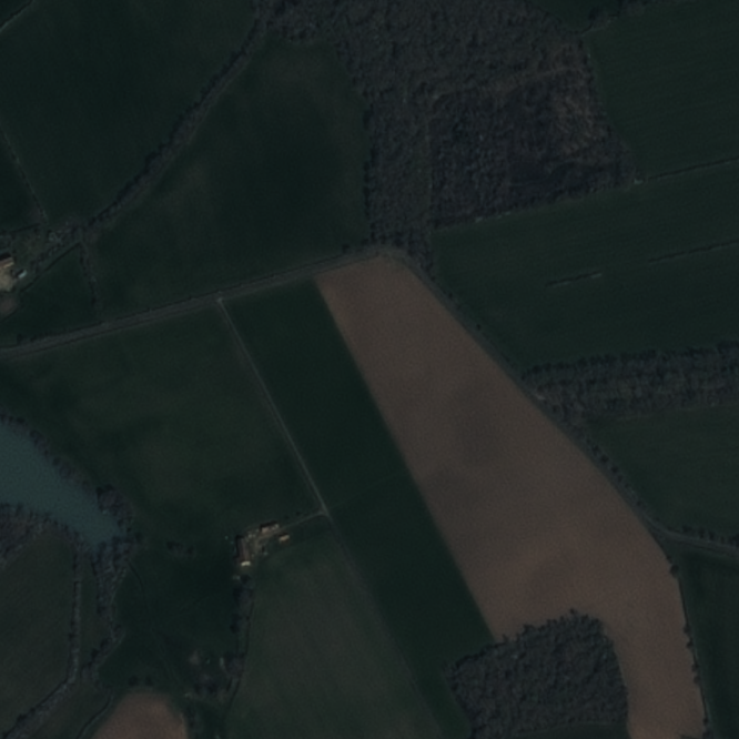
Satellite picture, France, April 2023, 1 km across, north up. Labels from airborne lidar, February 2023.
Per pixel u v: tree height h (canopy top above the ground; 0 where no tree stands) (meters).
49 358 0
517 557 0
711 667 0
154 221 0
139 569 0
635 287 0
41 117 0
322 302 0
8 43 0
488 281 0
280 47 0
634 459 0
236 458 0
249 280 0
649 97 0
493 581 0
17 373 0
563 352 0
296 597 0
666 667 0
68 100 0
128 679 0
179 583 0
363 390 0
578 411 24
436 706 0
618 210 0
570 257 0
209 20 0
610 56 0
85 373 0
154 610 0
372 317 0
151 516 0
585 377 16
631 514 0
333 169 0
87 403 0
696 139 0
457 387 0
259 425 0
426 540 0
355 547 0
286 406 0
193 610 0
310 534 0
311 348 0
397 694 0
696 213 0
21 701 0
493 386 0
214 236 0
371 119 17
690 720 0
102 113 0
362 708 0
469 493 0
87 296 0
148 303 0
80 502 0
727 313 0
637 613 0
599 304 0
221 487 0
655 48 0
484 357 0
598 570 0
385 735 0
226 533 0
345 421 0
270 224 0
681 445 0
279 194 0
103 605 6
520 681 14
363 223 0
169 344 0
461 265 0
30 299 0
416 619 0
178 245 0
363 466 0
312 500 0
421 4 19
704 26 0
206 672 0
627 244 0
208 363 0
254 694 0
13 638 0
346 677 0
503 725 15
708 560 0
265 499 0
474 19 13
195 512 0
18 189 0
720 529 0
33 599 0
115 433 0
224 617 0
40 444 16
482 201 12
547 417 0
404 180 16
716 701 0
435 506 0
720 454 0
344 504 0
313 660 0
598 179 12
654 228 0
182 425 0
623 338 0
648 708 0
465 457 0
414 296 0
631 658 0
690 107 0
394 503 0
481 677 18
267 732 0
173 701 0
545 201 13
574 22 0
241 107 0
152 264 0
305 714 0
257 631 0
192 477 0
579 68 14
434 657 0
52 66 0
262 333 0
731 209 0
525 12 11
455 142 9
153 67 0
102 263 0
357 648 0
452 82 13
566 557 0
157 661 0
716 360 18
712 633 0
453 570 0
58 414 0
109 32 0
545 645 9
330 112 0
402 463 0
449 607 0
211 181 0
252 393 0
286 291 0
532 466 0
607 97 0
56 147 0
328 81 0
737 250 0
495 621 0
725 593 0
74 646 7
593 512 0
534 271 0
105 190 0
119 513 15
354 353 0
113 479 0
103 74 0
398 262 0
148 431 0
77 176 0
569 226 0
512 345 0
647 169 0
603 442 0
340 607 0
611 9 0
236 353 0
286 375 0
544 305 0
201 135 0
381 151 10
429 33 15
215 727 0
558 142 15
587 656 11
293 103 0
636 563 0
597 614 0
